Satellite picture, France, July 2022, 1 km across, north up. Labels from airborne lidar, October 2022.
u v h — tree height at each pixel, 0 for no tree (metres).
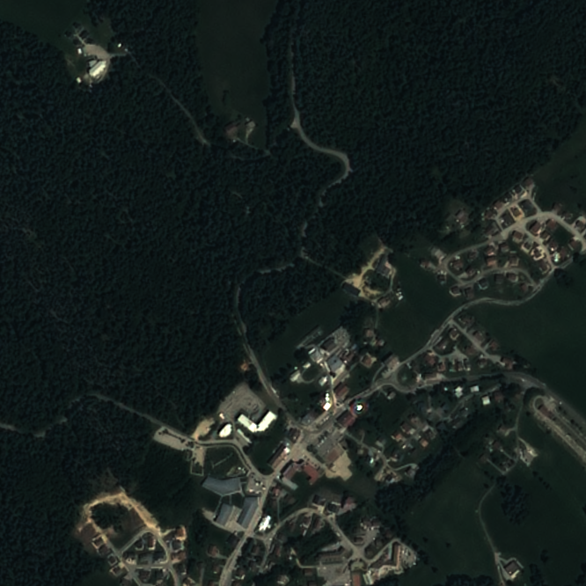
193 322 19
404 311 0
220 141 13
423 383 0
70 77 18
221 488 0
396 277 0
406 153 19
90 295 22
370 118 17
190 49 23
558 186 0
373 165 18
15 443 16
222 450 0
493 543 0
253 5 0
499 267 0
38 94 28
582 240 0
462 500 0
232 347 29
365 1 22
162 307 20
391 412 0
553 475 0
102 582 0
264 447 0
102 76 0
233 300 21
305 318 0
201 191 36
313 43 17
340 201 15
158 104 30
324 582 0
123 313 20
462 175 15
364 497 0
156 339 21
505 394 15
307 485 0
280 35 11
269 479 0
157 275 14
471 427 7
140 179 19
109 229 22
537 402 0
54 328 21
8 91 34
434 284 0
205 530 11
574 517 0
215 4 0
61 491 14
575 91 25
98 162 24
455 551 0
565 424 0
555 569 0
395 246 18
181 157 30
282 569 14
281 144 24
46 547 24
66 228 23
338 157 0
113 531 0
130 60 20
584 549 0
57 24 0
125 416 23
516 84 18
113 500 0
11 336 23
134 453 24
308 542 7
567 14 28
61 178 22
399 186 16
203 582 0
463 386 11
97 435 19
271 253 23
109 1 20
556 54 17
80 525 0
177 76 26
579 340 0
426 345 0
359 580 0
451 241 9
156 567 0
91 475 23
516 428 0
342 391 0
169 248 20
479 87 18
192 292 21
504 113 10
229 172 25
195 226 32
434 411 0
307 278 19
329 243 24
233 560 0
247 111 0
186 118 16
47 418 14
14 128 26
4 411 14
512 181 17
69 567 33
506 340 0
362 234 13
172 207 23
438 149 20
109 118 16
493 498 0
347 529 6
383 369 0
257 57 0
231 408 0
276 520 6
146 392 15
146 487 6
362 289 0
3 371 17
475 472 0
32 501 14
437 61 19
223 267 28
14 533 29
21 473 16
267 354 0
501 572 0
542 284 0
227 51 0
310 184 27
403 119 23
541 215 0
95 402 16
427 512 0
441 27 14
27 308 26
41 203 21
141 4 17
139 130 21
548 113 25
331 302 0
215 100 0
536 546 0
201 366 17
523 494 22
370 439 0
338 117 13
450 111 20
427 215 30
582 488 0
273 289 23
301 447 0
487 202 8
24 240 20
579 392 0
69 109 24
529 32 21
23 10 0
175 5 27
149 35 22
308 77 20
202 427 0
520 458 0
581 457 0
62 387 24
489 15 23
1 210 23
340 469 0
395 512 18
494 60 17
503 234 0
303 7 20
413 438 0
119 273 19
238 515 0
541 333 0
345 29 20
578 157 0
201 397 24
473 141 25
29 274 19
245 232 21
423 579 0
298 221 23
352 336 7
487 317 0
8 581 28
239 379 13
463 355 0
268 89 0
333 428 0
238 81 0
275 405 0
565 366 0
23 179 26
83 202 25
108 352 26
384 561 0
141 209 18
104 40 0
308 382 0
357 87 14
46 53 21
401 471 0
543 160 22
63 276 21
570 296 0
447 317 0
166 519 0
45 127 13
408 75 17
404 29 15
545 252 0
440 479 18
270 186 28
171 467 5
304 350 12
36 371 28
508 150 23
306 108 18
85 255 20
